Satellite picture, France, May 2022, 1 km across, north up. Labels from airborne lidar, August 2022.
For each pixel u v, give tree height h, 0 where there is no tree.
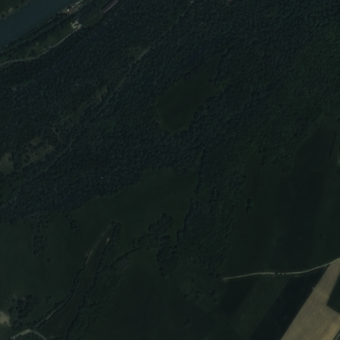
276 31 20
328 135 0
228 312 0
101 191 13
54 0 0
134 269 0
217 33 14
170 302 0
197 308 0
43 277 0
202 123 25
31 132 13
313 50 11
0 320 0
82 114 0
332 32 10
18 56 12
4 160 0
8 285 0
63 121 15
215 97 14
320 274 0
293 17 23
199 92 0
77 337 19
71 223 14
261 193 0
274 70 24
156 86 12
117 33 21
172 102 0
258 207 0
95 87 16
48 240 13
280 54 19
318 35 10
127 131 20
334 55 16
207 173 17
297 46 11
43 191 19
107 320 0
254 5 8
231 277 0
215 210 14
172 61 8
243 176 13
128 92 16
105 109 20
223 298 0
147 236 15
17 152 15
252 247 0
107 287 23
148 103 13
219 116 22
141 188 0
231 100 21
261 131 18
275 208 0
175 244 8
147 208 0
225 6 15
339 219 0
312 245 0
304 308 0
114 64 21
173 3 22
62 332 0
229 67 19
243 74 22
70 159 19
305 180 0
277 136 16
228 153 16
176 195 0
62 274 0
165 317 0
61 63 11
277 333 0
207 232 16
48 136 20
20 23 0
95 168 26
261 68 14
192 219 17
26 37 8
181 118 0
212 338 0
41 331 8
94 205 0
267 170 0
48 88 32
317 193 0
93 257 0
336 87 17
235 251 0
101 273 21
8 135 24
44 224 8
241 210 0
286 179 0
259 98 32
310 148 0
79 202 22
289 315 0
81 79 25
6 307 0
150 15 24
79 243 0
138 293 0
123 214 0
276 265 0
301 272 0
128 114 9
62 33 0
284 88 17
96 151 27
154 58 11
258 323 0
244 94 25
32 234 0
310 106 14
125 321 0
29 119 19
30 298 18
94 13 38
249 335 0
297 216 0
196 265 14
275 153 19
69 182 14
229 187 27
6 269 0
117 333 0
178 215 0
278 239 0
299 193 0
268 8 24
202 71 0
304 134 11
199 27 16
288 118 19
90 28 16
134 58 11
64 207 18
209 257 20
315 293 0
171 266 19
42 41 23
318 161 0
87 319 19
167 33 17
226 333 0
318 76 6
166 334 0
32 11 0
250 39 10
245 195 0
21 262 0
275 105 18
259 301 0
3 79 9
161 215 0
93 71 24
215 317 0
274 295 0
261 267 0
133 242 15
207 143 21
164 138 25
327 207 0
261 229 0
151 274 0
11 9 0
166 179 0
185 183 0
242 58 16
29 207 17
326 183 0
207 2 16
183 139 21
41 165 24
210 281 0
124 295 0
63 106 22
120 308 0
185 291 0
